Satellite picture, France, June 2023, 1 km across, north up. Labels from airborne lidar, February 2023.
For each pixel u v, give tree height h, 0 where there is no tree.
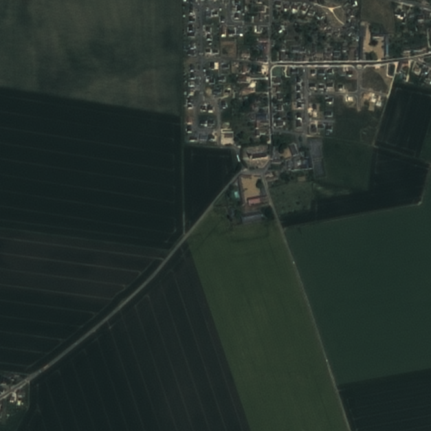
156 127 0
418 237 0
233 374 0
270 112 0
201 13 0
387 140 0
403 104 0
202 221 0
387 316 0
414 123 0
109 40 0
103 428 0
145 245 0
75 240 0
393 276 0
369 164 0
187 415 0
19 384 0
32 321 0
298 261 0
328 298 0
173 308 0
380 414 0
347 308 0
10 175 0
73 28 0
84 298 0
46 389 0
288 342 0
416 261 0
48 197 0
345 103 0
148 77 0
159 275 0
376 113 0
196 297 0
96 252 0
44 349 0
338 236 0
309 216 0
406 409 0
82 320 0
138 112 0
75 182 0
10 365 0
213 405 0
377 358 0
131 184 0
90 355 0
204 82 0
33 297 0
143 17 0
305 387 0
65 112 0
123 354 0
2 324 0
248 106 14
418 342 0
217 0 0
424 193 0
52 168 0
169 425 0
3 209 0
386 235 0
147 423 0
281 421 0
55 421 0
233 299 0
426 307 0
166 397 0
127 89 0
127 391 0
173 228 0
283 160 10
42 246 0
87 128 0
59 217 0
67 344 0
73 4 0
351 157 0
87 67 0
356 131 0
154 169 0
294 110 0
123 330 0
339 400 0
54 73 0
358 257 0
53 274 0
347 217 0
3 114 0
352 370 0
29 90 0
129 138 0
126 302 0
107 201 0
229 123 0
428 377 0
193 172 0
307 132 0
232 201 8
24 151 0
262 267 0
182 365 0
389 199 0
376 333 0
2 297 0
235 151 0
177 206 0
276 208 0
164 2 0
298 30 9
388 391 0
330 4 0
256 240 0
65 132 0
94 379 0
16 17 0
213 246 0
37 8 0
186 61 0
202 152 0
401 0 0
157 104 0
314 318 0
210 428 0
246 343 0
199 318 0
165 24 0
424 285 0
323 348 0
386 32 0
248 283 0
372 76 0
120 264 0
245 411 0
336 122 0
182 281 0
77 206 0
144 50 0
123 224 0
